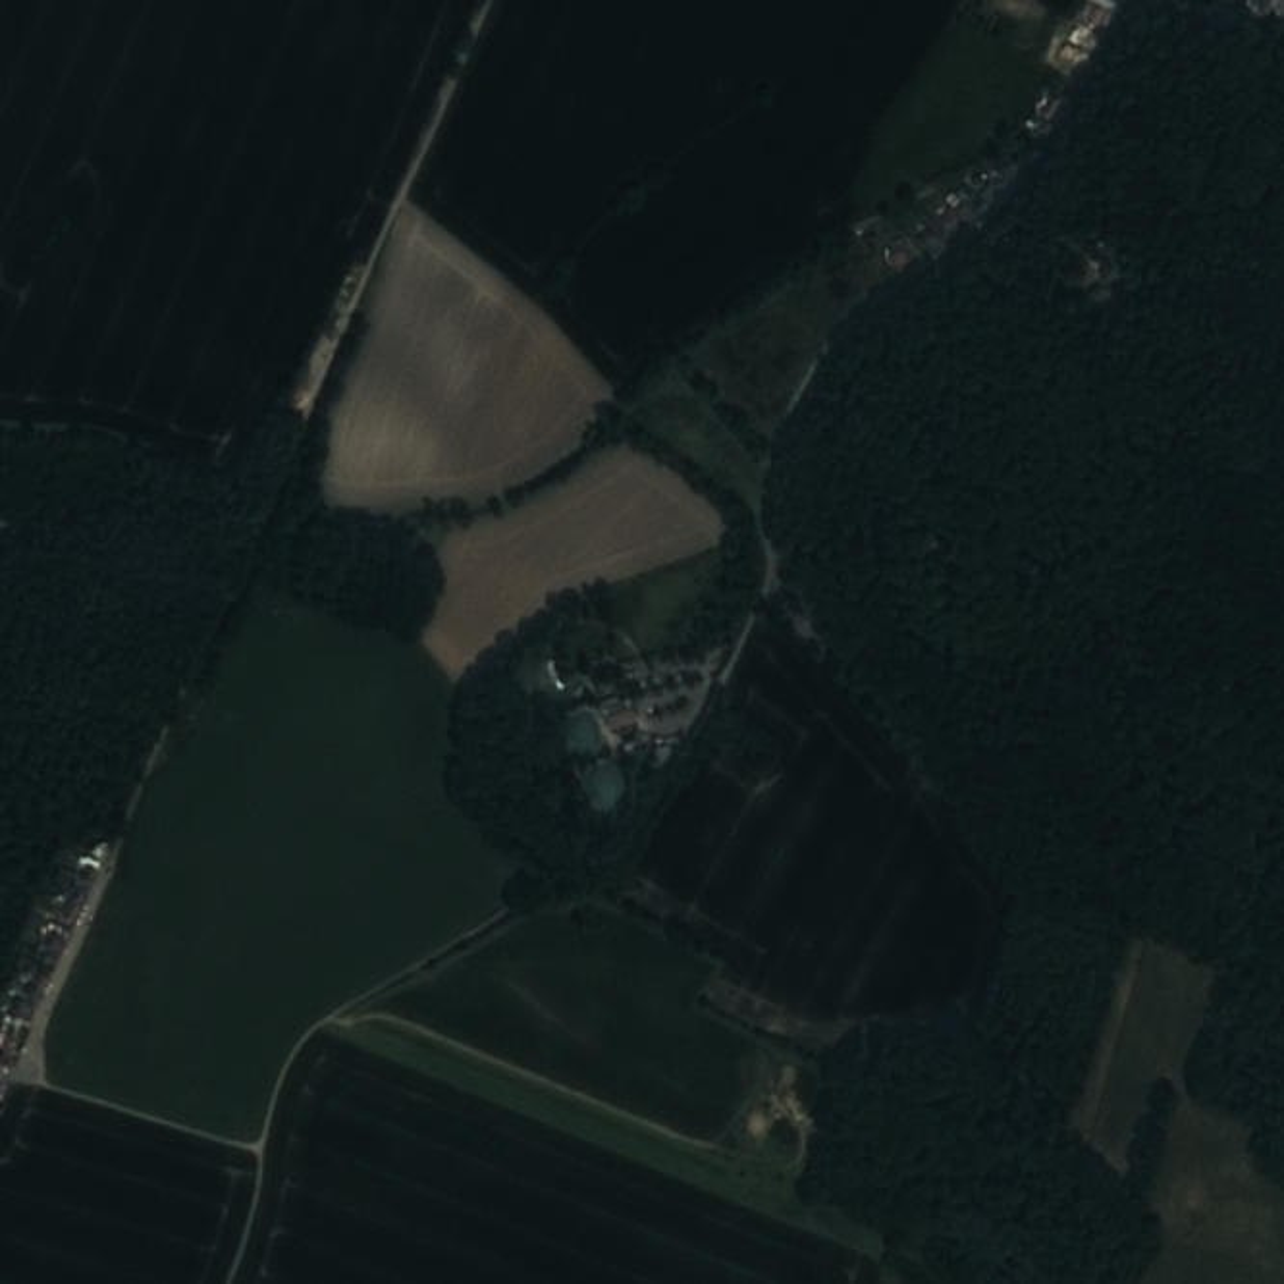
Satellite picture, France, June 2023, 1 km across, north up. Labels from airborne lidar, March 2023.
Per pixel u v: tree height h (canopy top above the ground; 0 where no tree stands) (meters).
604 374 0
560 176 0
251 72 0
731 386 0
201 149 0
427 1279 0
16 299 0
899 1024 0
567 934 0
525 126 0
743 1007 0
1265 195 24
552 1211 0
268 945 0
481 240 0
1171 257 23
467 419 0
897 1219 21
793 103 0
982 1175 27
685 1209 0
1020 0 0
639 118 0
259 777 0
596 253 0
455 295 0
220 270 0
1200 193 20
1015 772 31
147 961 0
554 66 0
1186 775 24
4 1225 0
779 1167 0
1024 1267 25
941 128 0
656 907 0
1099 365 27
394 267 0
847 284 0
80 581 23
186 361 0
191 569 20
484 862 0
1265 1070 24
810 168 0
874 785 0
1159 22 27
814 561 21
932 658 27
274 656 0
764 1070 0
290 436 17
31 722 17
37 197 0
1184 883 27
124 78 0
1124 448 30
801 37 0
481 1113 0
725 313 12
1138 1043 0
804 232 0
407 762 0
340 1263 0
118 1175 0
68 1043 0
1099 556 26
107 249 0
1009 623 25
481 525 0
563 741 7
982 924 0
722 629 9
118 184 0
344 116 0
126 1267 0
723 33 0
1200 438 22
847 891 0
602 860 25
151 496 18
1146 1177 19
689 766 16
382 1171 0
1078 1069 21
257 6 0
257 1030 0
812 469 25
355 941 0
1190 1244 0
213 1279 0
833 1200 19
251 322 0
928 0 0
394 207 0
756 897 0
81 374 0
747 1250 0
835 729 0
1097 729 29
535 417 0
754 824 0
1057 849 28
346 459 0
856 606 25
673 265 0
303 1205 0
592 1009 0
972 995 0
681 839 0
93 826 12
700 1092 0
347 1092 0
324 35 0
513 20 0
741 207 0
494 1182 0
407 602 34
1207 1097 18
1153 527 27
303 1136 0
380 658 0
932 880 0
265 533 22
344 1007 0
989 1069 32
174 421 0
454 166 0
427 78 0
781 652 0
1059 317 25
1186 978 0
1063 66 0
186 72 0
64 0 0
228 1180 0
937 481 28
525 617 0
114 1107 0
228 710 0
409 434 0
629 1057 0
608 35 0
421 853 0
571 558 0
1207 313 25
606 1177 0
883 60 0
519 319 0
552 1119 0
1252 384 26
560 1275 0
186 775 0
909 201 15
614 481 0
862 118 0
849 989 0
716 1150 0
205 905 0
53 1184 0
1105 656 27
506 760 30
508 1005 0
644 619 0
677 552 0
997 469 30
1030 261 24
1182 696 28
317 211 0
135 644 19
